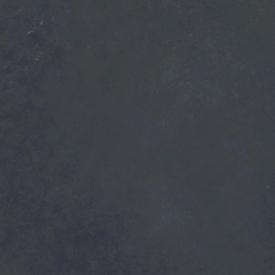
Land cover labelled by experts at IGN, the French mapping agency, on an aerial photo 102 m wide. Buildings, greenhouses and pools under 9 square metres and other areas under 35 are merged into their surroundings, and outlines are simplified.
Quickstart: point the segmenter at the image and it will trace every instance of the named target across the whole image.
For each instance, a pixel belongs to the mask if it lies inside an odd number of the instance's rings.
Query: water
[[[275,275],[275,0],[0,0],[0,275]]]

